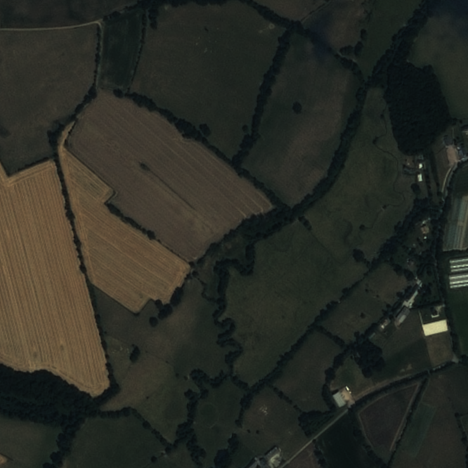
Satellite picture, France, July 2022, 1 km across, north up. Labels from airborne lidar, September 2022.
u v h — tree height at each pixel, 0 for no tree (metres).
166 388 0
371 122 0
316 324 11
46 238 0
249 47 0
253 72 0
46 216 0
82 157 0
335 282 0
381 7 0
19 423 0
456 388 0
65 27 0
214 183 0
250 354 0
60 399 20
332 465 0
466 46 0
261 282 0
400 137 15
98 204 0
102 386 0
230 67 0
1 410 17
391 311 8
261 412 0
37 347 0
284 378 0
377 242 0
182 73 0
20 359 0
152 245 0
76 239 11
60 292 0
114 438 0
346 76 0
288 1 0
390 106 14
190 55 0
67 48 0
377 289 0
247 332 0
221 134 0
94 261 0
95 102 0
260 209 0
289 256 0
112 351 0
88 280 6
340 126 0
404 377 0
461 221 0
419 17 22
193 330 0
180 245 0
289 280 0
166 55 0
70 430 22
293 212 15
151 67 0
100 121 0
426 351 0
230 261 12
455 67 0
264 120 0
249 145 21
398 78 15
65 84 0
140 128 0
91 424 0
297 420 0
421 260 13
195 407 15
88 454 0
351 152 0
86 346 0
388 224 0
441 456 0
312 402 0
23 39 0
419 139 11
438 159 0
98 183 0
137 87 0
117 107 0
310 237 0
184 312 0
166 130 0
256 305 0
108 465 0
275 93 0
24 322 0
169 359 0
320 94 0
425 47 0
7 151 0
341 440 0
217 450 0
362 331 0
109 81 0
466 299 0
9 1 0
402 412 0
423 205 15
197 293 0
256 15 0
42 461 0
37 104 0
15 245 0
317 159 0
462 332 0
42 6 0
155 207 0
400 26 0
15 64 0
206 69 0
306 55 0
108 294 0
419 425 0
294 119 0
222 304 9
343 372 0
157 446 0
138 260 0
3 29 0
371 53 0
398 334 0
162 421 0
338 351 0
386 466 10
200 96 0
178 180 0
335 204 0
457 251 7
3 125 0
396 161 0
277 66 12
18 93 0
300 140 0
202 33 0
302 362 0
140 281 0
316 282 0
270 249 0
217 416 0
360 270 0
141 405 0
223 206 0
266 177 0
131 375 0
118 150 0
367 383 0
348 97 0
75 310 0
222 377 14
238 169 18
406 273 14
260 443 0
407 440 0
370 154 0
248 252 14
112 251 0
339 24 0
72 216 15
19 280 0
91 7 0
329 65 0
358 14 0
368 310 0
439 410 0
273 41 0
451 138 0
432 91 17
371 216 0
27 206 0
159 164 0
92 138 0
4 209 0
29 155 0
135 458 0
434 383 0
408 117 11
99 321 7
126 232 0
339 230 0
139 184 0
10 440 0
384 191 0
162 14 0
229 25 0
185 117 0
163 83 0
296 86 0
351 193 0
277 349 0
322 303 0
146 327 0
